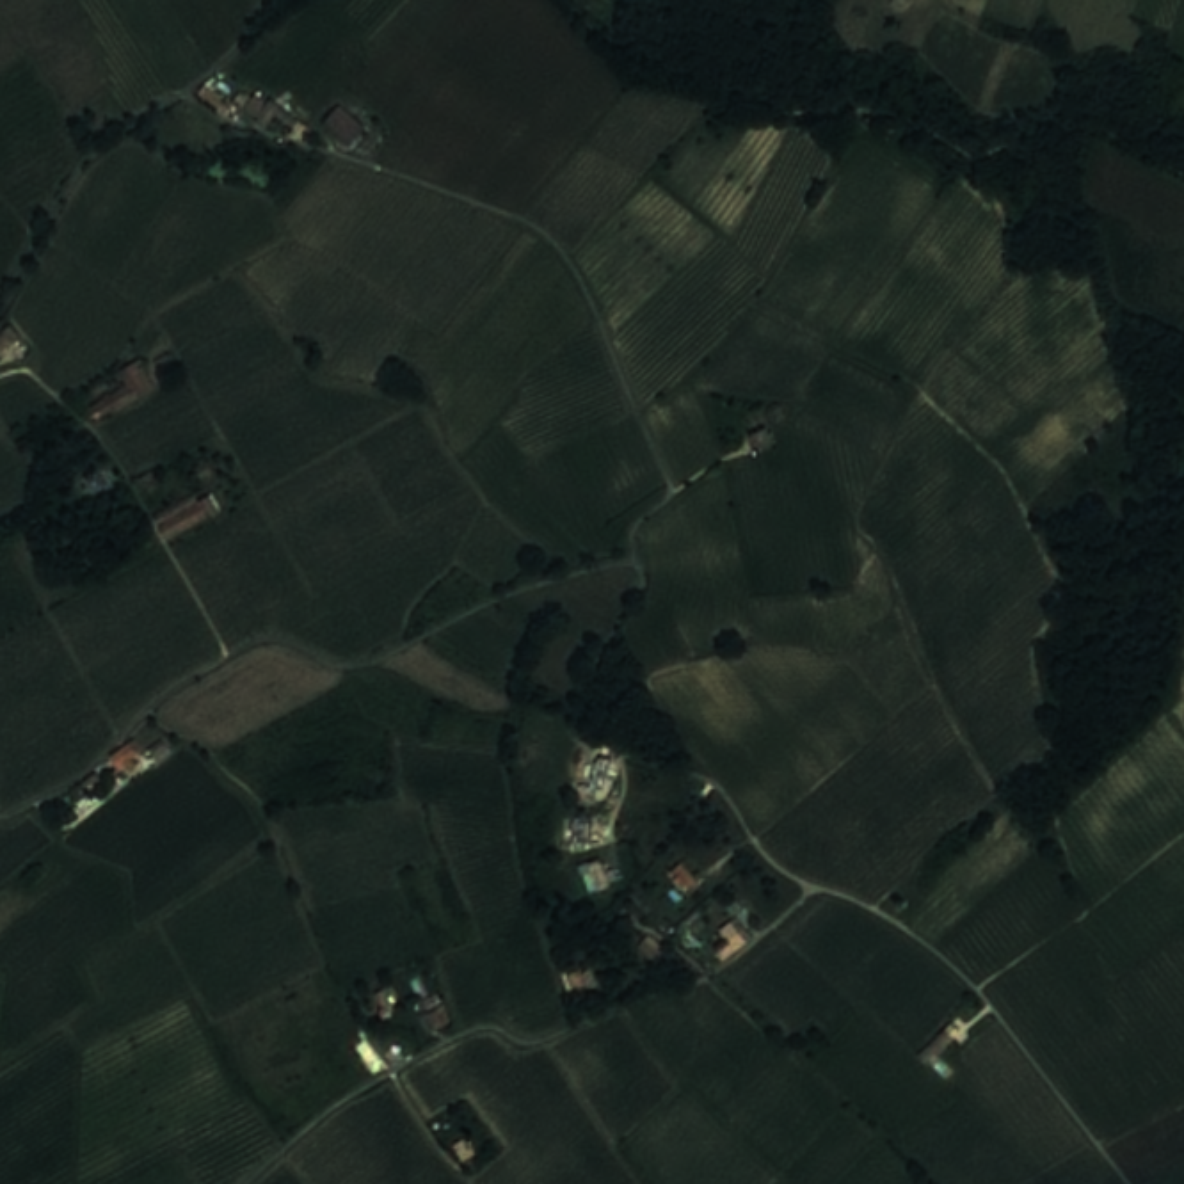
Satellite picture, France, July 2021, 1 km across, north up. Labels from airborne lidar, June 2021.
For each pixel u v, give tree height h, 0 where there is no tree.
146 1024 0
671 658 0
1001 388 0
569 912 20
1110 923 0
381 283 0
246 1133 0
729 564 0
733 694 0
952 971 0
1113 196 0
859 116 18
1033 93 0
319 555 0
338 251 0
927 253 0
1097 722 20
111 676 0
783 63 24
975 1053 0
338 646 0
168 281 0
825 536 0
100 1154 0
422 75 0
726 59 21
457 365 0
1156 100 11
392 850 0
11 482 0
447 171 0
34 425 7
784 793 0
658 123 0
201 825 0
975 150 15
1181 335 17
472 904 0
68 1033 0
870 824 0
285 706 0
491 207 0
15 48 0
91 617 0
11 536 24
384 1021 14
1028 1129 0
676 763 19
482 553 0
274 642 0
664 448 0
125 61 0
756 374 0
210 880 0
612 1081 0
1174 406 20
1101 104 17
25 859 0
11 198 0
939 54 0
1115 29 0
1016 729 0
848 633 0
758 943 0
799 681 0
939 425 0
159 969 0
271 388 0
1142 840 0
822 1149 0
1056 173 8
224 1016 0
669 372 0
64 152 0
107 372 8
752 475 0
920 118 11
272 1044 0
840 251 0
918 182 0
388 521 0
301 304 0
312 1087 0
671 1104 0
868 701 0
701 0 24
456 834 0
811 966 0
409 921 0
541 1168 0
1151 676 19
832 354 0
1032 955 0
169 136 0
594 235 0
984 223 0
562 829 0
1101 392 0
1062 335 0
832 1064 0
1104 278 13
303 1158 0
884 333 0
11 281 11
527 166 0
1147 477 23
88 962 0
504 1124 0
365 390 0
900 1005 0
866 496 0
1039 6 0
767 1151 0
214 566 0
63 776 0
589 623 0
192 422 0
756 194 0
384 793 11
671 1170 0
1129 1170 0
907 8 0
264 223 0
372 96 0
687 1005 0
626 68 17
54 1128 0
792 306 0
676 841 13
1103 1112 0
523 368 0
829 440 0
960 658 0
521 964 0
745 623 0
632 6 18
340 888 0
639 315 0
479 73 0
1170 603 11
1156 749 0
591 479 0
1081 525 25
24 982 0
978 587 0
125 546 13
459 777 0
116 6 0
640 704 17
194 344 0
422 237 0
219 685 0
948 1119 0
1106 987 0
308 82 0
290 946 0
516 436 0
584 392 0
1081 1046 0
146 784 0
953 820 0
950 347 0
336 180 0
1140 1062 0
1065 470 0
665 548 0
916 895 0
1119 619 10
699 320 0
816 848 0
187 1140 0
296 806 9
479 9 0
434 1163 0
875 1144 0
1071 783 6
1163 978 0
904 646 0
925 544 0
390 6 0
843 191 0
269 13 16
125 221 0
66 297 0
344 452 0
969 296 0
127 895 0
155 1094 0
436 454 0
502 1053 0
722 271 0
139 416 0
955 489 0
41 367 0
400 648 0
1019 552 0
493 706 0
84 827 0
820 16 15
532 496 0
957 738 0
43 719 0
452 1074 0
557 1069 0
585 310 0
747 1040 0
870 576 0
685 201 0
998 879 0
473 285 0
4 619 0
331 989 0
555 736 0
